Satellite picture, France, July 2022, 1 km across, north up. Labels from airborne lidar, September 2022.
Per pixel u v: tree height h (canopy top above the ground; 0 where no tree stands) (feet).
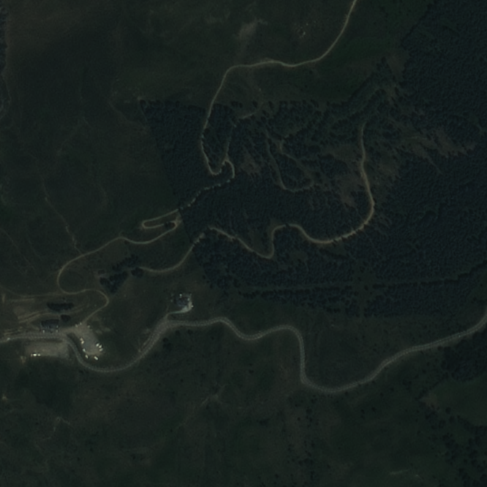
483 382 0
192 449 0
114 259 0
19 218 0
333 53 0
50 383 0
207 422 0
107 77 0
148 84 0
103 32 0
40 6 0
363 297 0
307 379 0
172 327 0
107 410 0
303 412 0
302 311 0
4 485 0
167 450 0
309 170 0
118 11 0
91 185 0
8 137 0
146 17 0
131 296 0
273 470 0
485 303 29
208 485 0
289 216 60
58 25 0
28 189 0
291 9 0
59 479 0
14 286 0
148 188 0
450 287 71
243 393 0
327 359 0
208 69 0
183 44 0
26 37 0
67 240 0
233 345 0
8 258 0
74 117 0
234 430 0
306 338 0
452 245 75
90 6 0
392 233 64
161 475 0
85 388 0
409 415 0
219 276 63
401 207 73
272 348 0
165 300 0
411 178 76
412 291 62
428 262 47
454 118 87
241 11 0
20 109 0
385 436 0
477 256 68
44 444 0
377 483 0
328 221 65
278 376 0
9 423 0
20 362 0
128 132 0
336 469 0
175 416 0
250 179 52
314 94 0
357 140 64
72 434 0
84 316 0
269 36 0
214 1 0
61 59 0
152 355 0
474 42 79
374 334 0
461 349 37
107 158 0
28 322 0
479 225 55
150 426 0
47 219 0
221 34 0
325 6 0
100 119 0
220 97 0
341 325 0
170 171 48
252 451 0
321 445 0
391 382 0
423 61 48
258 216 52
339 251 0
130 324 0
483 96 59
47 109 0
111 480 0
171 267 0
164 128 55
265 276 63
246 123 65
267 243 51
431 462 0
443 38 54
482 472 36
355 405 0
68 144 0
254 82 0
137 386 0
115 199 0
